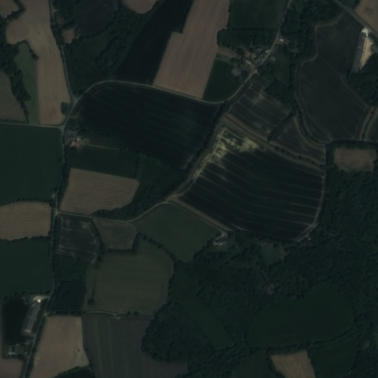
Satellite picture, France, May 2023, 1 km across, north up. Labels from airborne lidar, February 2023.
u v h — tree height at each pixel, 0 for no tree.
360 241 9
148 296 0
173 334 12
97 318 0
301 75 0
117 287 0
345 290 18
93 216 0
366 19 0
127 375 0
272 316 0
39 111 0
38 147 0
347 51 0
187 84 0
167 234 0
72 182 0
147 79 0
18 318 0
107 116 0
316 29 0
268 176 0
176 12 0
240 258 14
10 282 0
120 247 0
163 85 0
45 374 0
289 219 0
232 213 0
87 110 0
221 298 11
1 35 11
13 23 0
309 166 0
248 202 0
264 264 9
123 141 0
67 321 0
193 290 0
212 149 0
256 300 14
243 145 0
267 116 0
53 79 0
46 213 0
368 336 8
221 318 10
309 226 0
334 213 15
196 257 14
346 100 0
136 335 0
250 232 0
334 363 0
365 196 13
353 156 0
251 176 0
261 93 0
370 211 10
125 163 0
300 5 0
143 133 0
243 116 0
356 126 0
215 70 0
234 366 19
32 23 0
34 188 0
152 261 0
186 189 0
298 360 0
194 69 0
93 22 0
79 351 0
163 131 0
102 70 16
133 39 7
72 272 19
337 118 0
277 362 0
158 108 0
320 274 18
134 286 0
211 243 11
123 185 0
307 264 7
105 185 0
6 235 0
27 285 0
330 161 13
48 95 0
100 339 0
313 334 0
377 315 0
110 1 0
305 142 0
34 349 8
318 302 0
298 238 0
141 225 0
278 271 13
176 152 0
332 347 8
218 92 0
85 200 0
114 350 0
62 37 9
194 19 0
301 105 0
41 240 13
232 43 0
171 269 0
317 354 0
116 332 0
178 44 0
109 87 0
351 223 20
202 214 0
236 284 0
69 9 16
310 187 0
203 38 0
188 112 0
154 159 14
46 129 0
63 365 0
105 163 0
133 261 0
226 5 0
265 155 0
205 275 0
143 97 0
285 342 0
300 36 17
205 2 0
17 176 0
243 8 0
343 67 0
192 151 0
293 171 0
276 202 0
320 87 0
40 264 0
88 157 0
